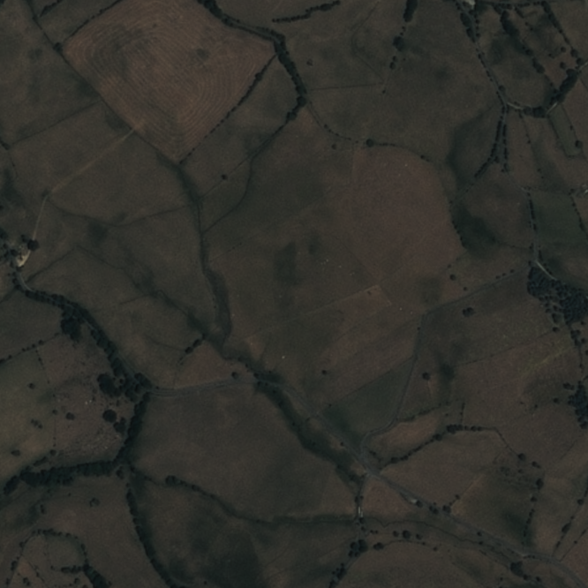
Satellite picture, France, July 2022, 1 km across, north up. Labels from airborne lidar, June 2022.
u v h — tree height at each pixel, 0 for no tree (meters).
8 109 0
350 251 0
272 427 0
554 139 0
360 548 9
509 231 0
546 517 0
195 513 0
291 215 0
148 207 0
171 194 0
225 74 0
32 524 0
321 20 0
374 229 0
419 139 0
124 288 0
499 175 0
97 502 8
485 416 0
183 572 0
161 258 0
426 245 0
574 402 12
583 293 9
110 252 0
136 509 10
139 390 10
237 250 0
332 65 0
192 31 0
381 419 0
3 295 0
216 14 16
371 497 0
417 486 0
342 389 0
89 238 0
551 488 0
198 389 0
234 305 0
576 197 0
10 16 0
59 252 0
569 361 0
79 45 0
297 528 0
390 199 0
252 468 0
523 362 0
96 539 0
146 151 0
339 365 0
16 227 0
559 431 0
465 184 0
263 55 0
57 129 0
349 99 0
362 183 0
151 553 15
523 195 0
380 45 0
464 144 0
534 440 0
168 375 0
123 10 0
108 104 0
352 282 0
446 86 0
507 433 0
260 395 0
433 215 0
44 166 0
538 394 0
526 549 0
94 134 0
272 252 0
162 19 0
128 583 0
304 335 0
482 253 0
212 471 0
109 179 0
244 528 0
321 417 0
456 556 0
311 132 0
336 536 0
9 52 0
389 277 0
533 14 0
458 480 0
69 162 0
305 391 0
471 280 0
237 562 0
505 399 0
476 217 0
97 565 0
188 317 0
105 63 0
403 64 0
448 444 0
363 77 0
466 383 0
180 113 0
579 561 0
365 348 0
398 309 0
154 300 0
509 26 23
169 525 0
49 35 0
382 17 0
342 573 10
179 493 0
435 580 0
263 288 0
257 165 0
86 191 0
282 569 0
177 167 0
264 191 0
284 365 0
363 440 0
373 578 0
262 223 0
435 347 0
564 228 0
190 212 0
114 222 0
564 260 0
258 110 0
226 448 0
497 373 0
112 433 0
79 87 0
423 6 0
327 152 0
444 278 0
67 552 0
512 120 0
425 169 0
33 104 0
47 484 14
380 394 0
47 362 0
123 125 0
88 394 0
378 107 0
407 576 0
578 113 0
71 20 0
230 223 0
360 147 0
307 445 0
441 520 0
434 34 0
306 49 0
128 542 0
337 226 0
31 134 0
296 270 0
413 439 0
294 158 0
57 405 0
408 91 0
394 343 0
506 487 0
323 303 0
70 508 0
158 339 0
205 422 0
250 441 0
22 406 0
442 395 0
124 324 0
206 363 0
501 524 0
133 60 0
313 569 0
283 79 0
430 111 0
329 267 0
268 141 0
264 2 0
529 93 0
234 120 0
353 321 0
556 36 0
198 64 0
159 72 0
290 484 0
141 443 0
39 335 0
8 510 0
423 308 0
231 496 0
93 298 0
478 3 9
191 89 0
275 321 0
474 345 0
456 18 0
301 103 12
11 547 0
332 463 0
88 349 0
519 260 0
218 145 0
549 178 0
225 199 0
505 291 0
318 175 0
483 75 0
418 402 0
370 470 0
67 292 0
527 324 0
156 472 0
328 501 0
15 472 0
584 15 0
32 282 0
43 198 0
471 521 0
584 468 0
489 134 0
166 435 0
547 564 0
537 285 14
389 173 0
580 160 0
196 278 0
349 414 0
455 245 0
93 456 0
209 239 0
